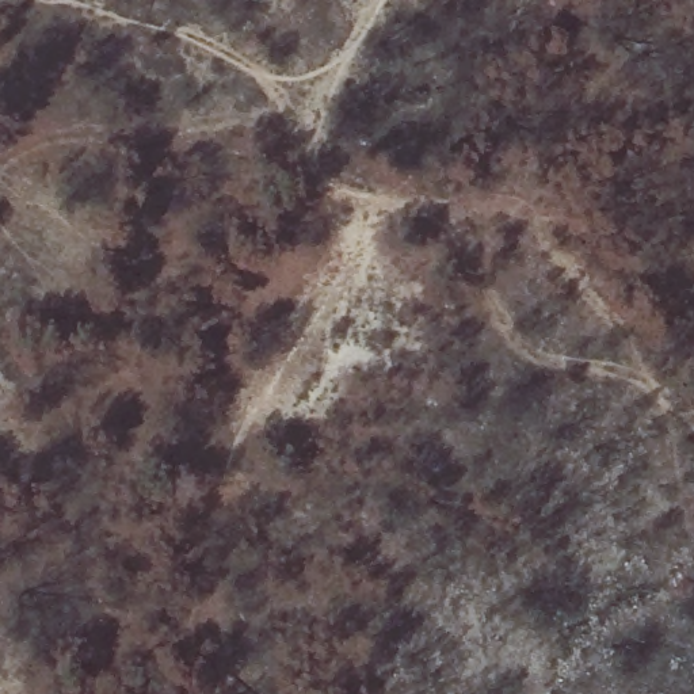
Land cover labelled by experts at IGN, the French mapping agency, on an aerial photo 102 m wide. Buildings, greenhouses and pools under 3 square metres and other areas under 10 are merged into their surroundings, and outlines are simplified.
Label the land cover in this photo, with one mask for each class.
<instances>
[{"label":"coniferous trees","instance_id":"1","mask_svg":"<svg viewBox=\"0 0 694 694\"><path fill-rule=\"evenodd\" d=\"M558 8L548 5V0H388L385 19L371 27L363 46L374 57H380L377 76H369L363 84L347 79L339 95L333 98V106L328 108V136L320 146L309 141L312 130H306L298 119H287L279 111L271 117H260L255 125V144L266 155L263 192H252V203H239L228 198L211 217L192 209L168 214V176H157V160L141 155L138 163L130 165V187H141L146 198L144 203L133 198L125 201L119 228H130L127 244L117 247L108 260L106 255H89L87 268L79 279L84 298L79 301L76 317L22 320L5 347V363L0 366V371L5 380L14 382V399L24 407V415L16 423V428L11 434H0V583L11 588V599L16 602V624L8 634L14 640H24L33 648L27 661L19 667V675L24 683L33 686L46 683V694H694V0H599L596 14L580 16L583 30L569 33L564 38V33L558 30L561 22L556 16ZM380 155H385L388 163L401 174L439 168L442 192L453 195H469L474 190L493 192L504 179H512L515 192L539 198L550 214L561 217V225L553 228L558 249L575 255L577 263L594 266L602 279L618 282L624 287V306L634 323L613 325L607 333H588L577 339L575 350L567 355V369H542L526 363L510 347H504L502 333L488 325L491 317L485 309V290L493 287L502 295V301L510 306L515 317V328L521 336L542 339L556 328V323L564 314H569L572 304L580 298L575 279H569L561 266H553V258L545 249H537V239L526 228V222L512 220L510 214L474 220L469 217L461 222H450L447 206H423L417 209V214L409 222V230L401 239L412 247H426L428 241H434L445 258L436 263L431 282L423 287L420 298H407L404 306L382 301V328L371 331L366 339L371 361L352 366L344 396L336 399L320 420L285 417L279 412H271L266 417V426H252L247 439L239 447H233L230 420L233 409L239 407V390L252 380L255 369L274 366V358L285 355L301 339L304 328L314 314L312 304H298L306 287L304 279L306 274H317L323 260H331V241L352 220V203L336 201L328 184L355 157ZM626 339L637 342L642 361L659 380L656 388L648 393L618 380L588 374L591 361H615Z\"/></svg>","mask_w":694,"mask_h":694},{"label":"bare soil","instance_id":"2","mask_svg":"<svg viewBox=\"0 0 694 694\"><path fill-rule=\"evenodd\" d=\"M106 8L130 16L127 27L106 30L98 27L92 19H84L79 8L41 5L33 0H0V366L5 363V347L22 320L76 317L79 301L84 298L79 279L87 268L89 255H106L108 260L117 247L127 244L130 228H119L125 201L133 198L144 203L146 198L141 187H130V165L138 163L141 155L157 160V176H168V214L192 209L211 217L228 198L239 203H252V192H263L266 155L255 144V125L260 117H271L279 111L252 76L225 65L220 57L203 54L201 49L179 41V27L195 24L214 38L228 30L230 46L236 49L260 43L274 73H306L312 68L328 65V60L336 52L344 49L352 33L355 14L342 5V0H103ZM548 5L558 8L556 16L561 22L558 30L564 33V38L569 33L583 30L580 16L596 14L599 0H548ZM380 57H374L363 46L352 60L347 79L363 84L369 76H377ZM14 382L5 380L0 371V434H11L16 428V423L24 415V407L14 399ZM16 602L11 599V588L0 583V694H46V683L33 686L24 683L19 675V667L27 661L33 648L24 640H14L8 634L16 624Z\"/></svg>","mask_w":694,"mask_h":694},{"label":"pervious surface","instance_id":"3","mask_svg":"<svg viewBox=\"0 0 694 694\"><path fill-rule=\"evenodd\" d=\"M41 5L79 8L84 19H92L98 27L106 30L127 27L130 16L106 8L103 0H33ZM388 0H342V5L355 14L352 33L344 49L336 52L328 60V65L312 68L306 73H274L260 43L236 49L230 46L228 30L214 38L195 24L179 27V41L201 49L203 54L220 57L225 65L252 76L279 111L287 119H298L306 130H312L309 141L320 146L328 136V108L333 106V98L339 95L347 79L352 60L363 46L371 27L385 19ZM336 201L352 203V220L331 241V260H323L317 274H306L304 279L306 287L298 304H312L314 314L304 328L301 339L285 355L274 358V366L255 369L252 380L239 390V407L233 409L230 420L233 447H239L247 439L252 426H266V417L271 412H279L285 417L320 420L336 399L344 396L352 366L371 361L366 339L371 331L382 328V301L404 306L407 298H420L423 287L431 282L436 263L445 258L434 241H428L426 247H412L401 239L409 230V222L417 214V209L423 206H447L450 222H461L469 217L474 220L510 214L512 220L526 222V228L537 239V249H545L553 258V266H561L569 279H575L580 298L572 304L569 314H564L556 323V328L542 339L521 336L515 328V317L510 306L502 301V295L493 287L485 290V309L491 317L488 325L502 333L504 347H510L526 363L542 369H567V355L575 350L577 339L588 333H607L613 325L634 323L624 306V287L618 282L602 279L594 266L577 263L575 255L558 249L553 228L561 225V217L550 214L539 198L515 192L512 179H504L493 192L474 190L469 195H453L442 192L439 168L401 174L388 163L385 155H380L355 157L328 184ZM588 374L618 380L648 393L656 388L659 380L642 361L637 342L626 339L615 361H591Z\"/></svg>","mask_w":694,"mask_h":694}]
</instances>
